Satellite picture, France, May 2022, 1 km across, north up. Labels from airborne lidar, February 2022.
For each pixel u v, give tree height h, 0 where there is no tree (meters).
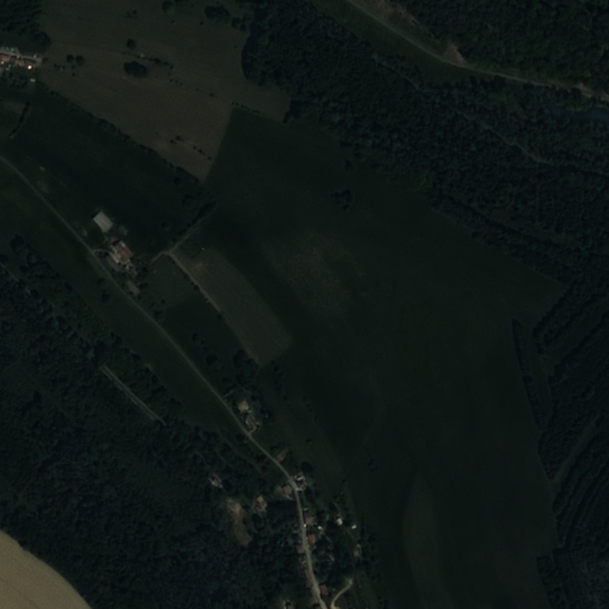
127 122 0
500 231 25
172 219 0
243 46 0
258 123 0
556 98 21
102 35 0
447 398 0
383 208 0
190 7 0
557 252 18
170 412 23
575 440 18
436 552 0
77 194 0
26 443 14
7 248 0
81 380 16
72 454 31
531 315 0
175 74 0
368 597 0
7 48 0
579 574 22
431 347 0
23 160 0
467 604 0
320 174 0
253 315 0
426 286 0
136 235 0
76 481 28
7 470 15
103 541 15
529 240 14
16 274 0
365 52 23
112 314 0
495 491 0
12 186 0
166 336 0
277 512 29
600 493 19
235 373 0
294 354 0
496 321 0
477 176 13
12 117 0
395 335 0
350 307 0
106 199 0
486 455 0
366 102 12
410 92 22
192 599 36
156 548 37
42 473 25
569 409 16
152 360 0
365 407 0
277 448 7
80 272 0
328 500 0
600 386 14
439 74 0
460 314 0
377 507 0
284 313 0
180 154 0
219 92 0
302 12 25
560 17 27
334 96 17
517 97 27
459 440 0
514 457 0
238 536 0
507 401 0
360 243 0
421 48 0
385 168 22
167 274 0
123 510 24
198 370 0
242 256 0
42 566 0
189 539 27
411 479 0
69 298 23
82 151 0
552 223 17
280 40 15
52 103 0
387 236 0
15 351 18
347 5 0
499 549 0
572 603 10
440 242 0
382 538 0
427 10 21
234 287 0
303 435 0
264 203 0
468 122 18
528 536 0
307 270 0
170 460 20
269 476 0
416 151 26
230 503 0
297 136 0
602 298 18
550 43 29
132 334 0
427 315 0
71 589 0
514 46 29
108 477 22
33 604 0
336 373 0
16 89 7
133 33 0
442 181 23
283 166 0
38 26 6
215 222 0
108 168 0
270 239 0
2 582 0
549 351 16
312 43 11
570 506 18
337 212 0
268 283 0
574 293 13
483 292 0
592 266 18
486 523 0
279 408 0
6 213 0
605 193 27
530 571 0
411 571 0
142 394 23
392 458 0
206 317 0
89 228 0
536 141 20
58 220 0
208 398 0
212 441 23
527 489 0
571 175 31
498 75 0
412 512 0
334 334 0
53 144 0
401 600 0
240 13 0
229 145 0
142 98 0
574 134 14
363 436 0
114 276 5
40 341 31
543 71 28
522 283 0
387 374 0
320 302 0
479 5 31
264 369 0
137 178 0
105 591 24
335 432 0
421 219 0
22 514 15
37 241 0
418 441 0
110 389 13
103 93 0
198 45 0
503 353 0
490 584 0
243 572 31
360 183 0
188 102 0
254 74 25
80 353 23
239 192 0
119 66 0
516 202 19
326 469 0
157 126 0
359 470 0
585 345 11
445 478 0
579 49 29
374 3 0
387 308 0
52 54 0
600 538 16
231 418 0
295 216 0
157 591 30
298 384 0
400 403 0
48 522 16
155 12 0
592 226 15
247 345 0
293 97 21
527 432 0
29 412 17
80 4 0
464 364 0
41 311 14
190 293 0
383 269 0
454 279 0
